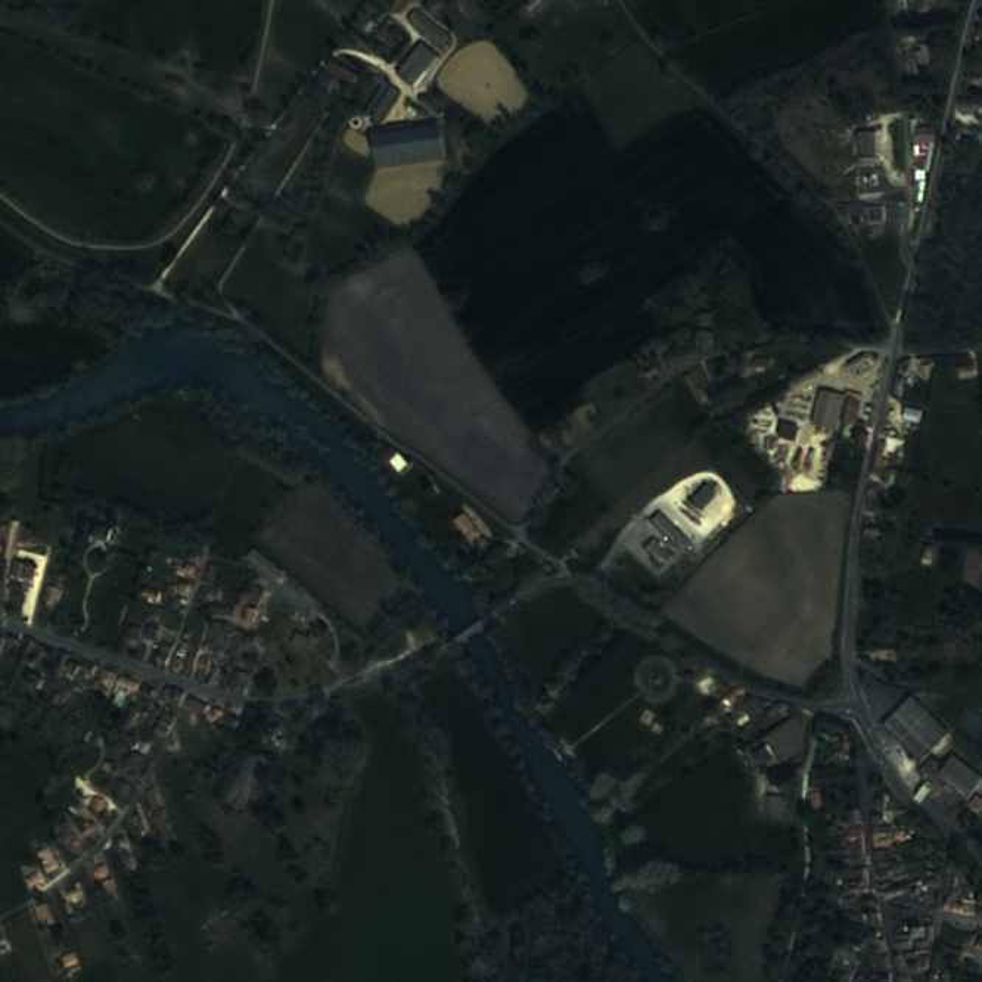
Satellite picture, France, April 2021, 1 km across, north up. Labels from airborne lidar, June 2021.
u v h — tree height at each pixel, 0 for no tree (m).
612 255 0
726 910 0
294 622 0
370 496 0
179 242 0
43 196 0
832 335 13
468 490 0
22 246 0
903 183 0
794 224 0
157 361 0
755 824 0
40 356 0
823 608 0
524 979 17
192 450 0
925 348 18
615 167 0
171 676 0
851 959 0
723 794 0
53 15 11
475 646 0
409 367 0
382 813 0
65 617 16
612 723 0
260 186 0
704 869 14
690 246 0
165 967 9
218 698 0
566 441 0
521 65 17
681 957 0
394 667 10
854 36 10
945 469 0
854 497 0
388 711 0
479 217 0
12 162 0
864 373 0
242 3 0
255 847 0
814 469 0
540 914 17
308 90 21
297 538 0
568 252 0
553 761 0
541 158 0
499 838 0
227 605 0
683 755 0
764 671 0
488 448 0
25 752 0
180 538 20
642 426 0
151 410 0
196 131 0
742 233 0
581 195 0
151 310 21
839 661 11
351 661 19
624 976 19
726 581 0
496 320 0
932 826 19
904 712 0
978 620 19
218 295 18
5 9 18
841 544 0
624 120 0
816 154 0
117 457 0
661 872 33
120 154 0
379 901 0
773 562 0
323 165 13
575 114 0
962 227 17
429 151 0
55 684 15
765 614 0
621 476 0
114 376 0
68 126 0
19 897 0
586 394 0
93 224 0
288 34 0
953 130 12
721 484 0
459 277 0
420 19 0
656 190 0
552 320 0
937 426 0
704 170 0
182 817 0
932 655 13
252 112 19
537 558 0
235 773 15
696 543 0
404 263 0
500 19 6
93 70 12
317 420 0
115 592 0
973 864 11
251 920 6
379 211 0
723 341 0
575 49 0
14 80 0
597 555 0
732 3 0
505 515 0
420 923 0
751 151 14
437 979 0
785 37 0
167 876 0
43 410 0
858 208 0
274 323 0
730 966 12
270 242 0
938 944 6
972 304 16
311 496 0
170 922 0
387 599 0
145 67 0
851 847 0
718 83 0
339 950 0
